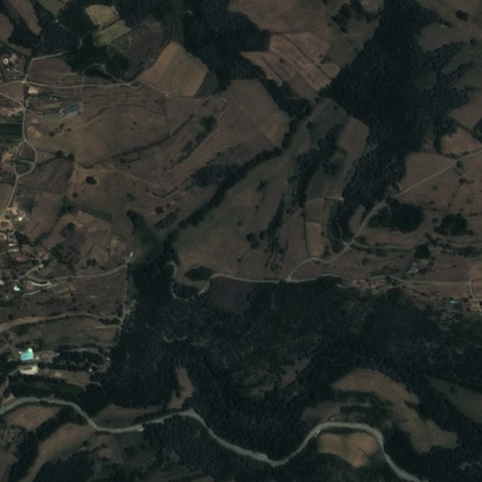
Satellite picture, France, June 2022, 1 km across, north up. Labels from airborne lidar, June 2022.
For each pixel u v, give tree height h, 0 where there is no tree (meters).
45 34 10
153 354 23
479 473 18
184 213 0
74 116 0
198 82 0
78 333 0
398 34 12
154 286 15
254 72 12
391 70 10
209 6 18
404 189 0
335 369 24
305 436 14
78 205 0
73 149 0
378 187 13
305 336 11
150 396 16
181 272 0
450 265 0
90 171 0
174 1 0
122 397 21
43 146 0
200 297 11
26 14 0
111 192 0
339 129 13
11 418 0
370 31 0
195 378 11
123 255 0
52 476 13
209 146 0
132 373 8
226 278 0
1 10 8
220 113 0
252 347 5
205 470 13
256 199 0
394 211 7
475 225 0
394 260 0
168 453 16
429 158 0
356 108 12
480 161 0
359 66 12
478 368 13
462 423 21
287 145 17
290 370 0
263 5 0
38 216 0
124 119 0
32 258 7
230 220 0
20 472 24
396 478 8
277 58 0
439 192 0
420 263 0
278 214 6
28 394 18
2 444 0
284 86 11
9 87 0
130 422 0
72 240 0
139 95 0
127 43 0
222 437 13
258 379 6
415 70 13
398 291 12
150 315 16
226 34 8
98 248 0
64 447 0
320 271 0
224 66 6
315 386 18
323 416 0
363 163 14
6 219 6
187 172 0
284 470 13
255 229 0
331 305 7
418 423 0
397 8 12
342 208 11
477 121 0
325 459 10
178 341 15
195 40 9
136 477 8
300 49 0
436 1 0
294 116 14
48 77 0
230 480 11
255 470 19
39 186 0
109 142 0
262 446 22
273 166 0
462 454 20
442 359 13
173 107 0
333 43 0
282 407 18
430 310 8
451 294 0
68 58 6
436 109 10
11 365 19
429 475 13
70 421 13
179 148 0
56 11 0
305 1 0
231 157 5
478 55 0
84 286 0
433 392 22
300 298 6
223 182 11
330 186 0
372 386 0
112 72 6
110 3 10
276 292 7
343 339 22
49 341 0
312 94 0
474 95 0
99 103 0
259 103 0
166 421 13
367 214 10
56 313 9
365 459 0
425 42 0
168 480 0
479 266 0
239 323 15
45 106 0
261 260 0
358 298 6
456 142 0
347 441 0
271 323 6
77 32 9
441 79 12
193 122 0
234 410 14
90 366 19
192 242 0
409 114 12
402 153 8
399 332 5
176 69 0
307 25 0
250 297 11
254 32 9
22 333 0
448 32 0
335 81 9
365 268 0
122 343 9
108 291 0
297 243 0
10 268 7
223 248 0
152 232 0
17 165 8
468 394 0
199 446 18
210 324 14
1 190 0
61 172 0
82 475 8
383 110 14
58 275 0
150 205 0
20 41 8
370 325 8
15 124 0
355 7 10
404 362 6
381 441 0
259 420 17
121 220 0
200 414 18
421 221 11
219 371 15
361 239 6
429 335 13
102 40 0
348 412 8
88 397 23
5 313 0
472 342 6
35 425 0
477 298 0
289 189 0
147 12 11
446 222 7
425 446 0
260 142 0
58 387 11
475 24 0
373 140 15
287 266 0
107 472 0
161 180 0
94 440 0
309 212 0
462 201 0
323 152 10
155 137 0
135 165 0
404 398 0
